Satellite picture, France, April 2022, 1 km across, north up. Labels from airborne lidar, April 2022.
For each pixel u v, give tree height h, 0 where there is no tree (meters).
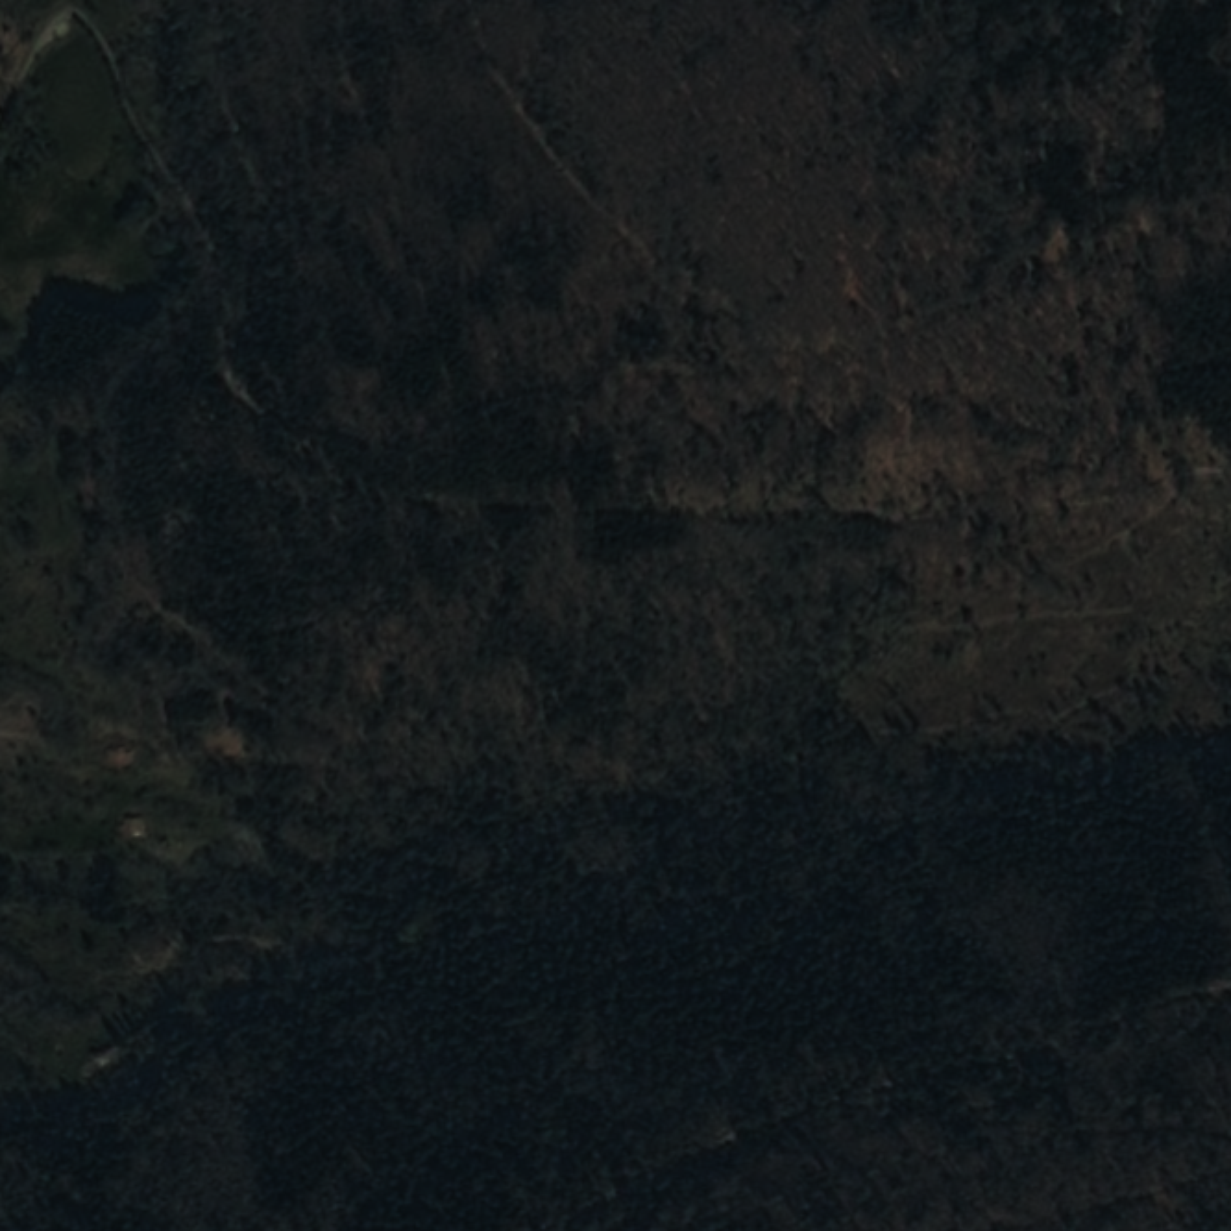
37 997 17
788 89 22
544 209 20
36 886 25
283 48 23
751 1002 27
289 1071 21
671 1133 23
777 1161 13
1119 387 28
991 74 15
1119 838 24
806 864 23
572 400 23
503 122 15
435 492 20
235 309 24
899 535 21
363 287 14
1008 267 26
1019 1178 17
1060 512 20
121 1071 10
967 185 23
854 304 8
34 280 0
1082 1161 15
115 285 0
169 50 21
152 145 10
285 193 28
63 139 0
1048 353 28
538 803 24
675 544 21
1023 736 7
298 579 20
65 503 0
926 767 24
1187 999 18
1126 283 28
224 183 27
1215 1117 13
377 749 26
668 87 20
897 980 28
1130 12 7
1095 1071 19
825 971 30
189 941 14
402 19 20
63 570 0
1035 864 25
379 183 17
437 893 24
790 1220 13
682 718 27
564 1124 23
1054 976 23
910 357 29
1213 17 17
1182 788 22
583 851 25
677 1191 10
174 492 21
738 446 24
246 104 21
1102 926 28
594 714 25
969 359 25
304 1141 27
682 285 27
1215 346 30
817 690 26
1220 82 17
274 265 25
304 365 27
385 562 24
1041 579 28
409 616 26
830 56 24
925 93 24
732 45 21
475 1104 25
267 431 22
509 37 16
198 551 16
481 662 24
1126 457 27
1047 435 27
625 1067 21
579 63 24
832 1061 22
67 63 0
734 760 21
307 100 14
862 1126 8
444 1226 30
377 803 31
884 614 38
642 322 13
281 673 20
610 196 25
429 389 12
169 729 9
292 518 27
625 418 23
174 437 25
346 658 27
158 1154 26
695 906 23
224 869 24
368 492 16
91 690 7
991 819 31
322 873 15
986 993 24
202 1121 25
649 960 30
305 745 27
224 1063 19
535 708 24
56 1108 16
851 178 22
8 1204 19
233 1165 26
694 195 20
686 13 19
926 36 25
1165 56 16
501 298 18
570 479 17
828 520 16
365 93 16
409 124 17
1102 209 16
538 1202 25
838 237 24
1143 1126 15
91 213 0
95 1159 25
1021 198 23
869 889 29
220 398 26
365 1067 34
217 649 21
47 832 0
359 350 22
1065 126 23
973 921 26
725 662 27
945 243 26
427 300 16
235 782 25
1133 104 27
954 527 21
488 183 22
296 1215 20
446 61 14
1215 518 0
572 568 25
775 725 23
